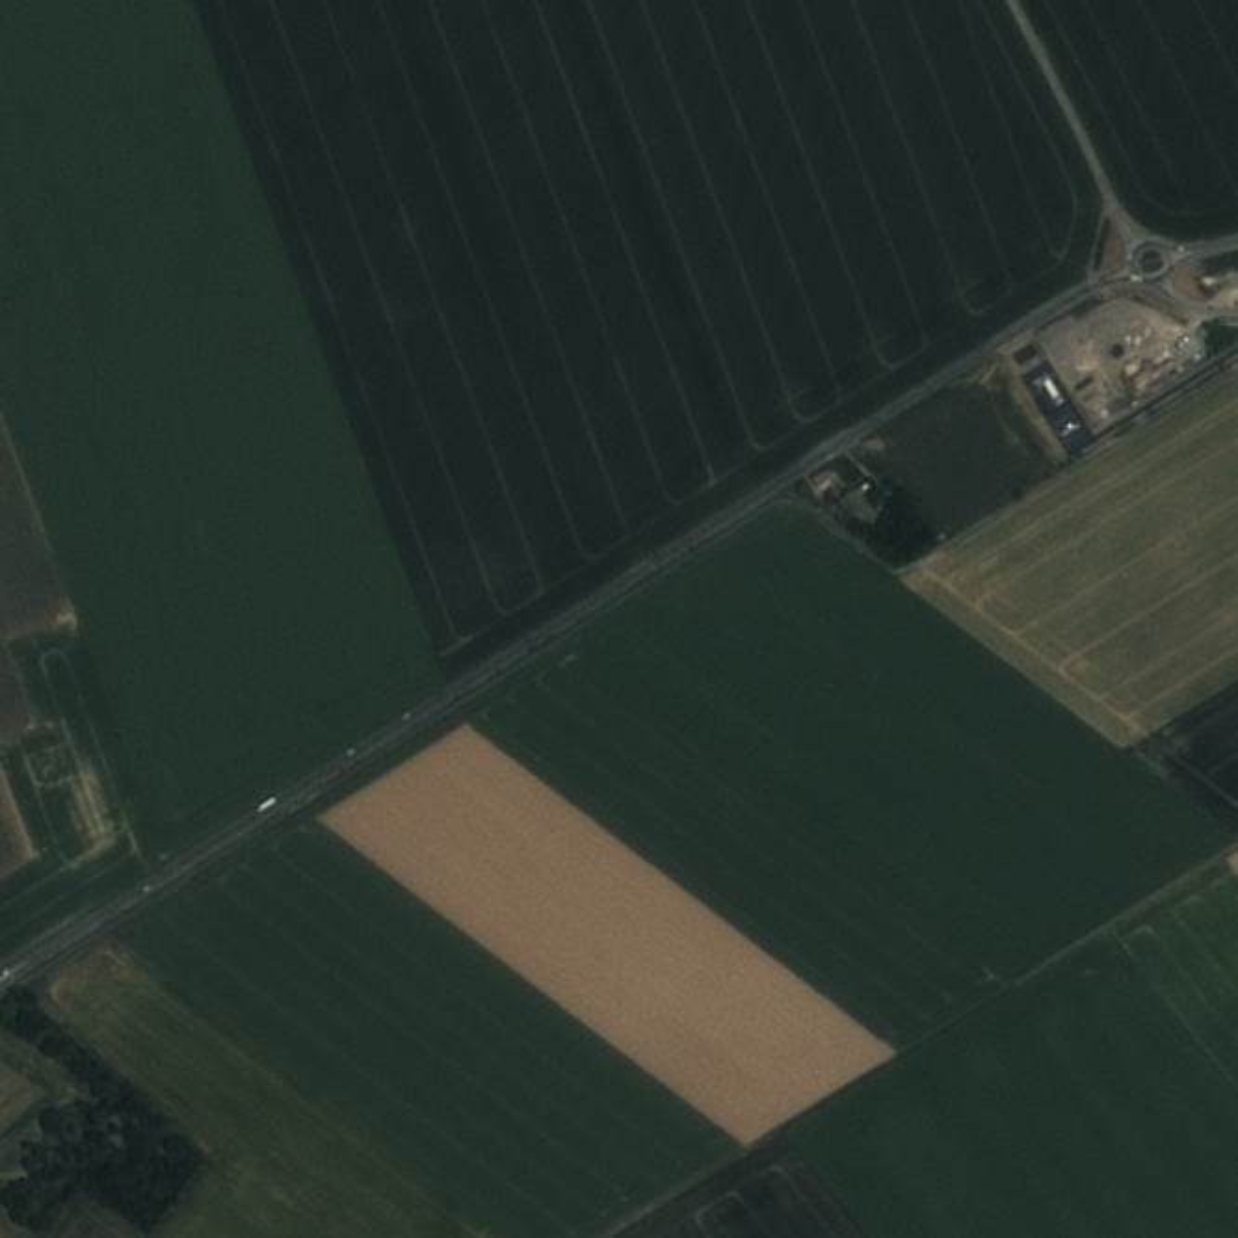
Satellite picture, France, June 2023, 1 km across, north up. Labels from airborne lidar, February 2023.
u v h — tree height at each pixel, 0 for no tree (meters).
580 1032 0
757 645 0
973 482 0
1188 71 0
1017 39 0
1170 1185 0
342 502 0
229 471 0
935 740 0
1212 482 0
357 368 0
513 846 0
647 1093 0
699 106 0
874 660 0
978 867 0
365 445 0
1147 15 0
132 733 0
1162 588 0
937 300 0
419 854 0
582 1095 0
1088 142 0
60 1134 18
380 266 0
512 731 0
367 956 0
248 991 0
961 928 0
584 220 0
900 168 0
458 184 0
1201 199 0
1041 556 0
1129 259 0
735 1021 0
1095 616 0
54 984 0
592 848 0
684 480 0
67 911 0
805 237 0
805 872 0
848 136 0
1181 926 0
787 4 0
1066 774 0
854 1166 0
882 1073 0
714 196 0
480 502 0
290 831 0
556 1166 0
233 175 0
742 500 0
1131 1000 0
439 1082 0
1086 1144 0
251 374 0
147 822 0
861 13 0
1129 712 0
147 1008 0
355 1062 0
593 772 0
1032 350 0
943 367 0
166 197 0
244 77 0
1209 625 0
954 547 0
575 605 0
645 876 0
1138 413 0
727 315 0
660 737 0
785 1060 0
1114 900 0
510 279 0
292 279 0
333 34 0
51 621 0
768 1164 0
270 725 0
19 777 0
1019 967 0
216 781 0
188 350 0
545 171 0
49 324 0
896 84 0
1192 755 0
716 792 0
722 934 0
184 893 0
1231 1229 0
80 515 0
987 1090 0
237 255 0
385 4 0
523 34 0
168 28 0
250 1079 0
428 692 0
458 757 0
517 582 0
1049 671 0
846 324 0
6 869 0
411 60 0
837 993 0
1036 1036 0
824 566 0
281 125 0
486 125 0
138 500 0
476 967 0
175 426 0
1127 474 0
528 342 0
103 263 0
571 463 0
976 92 0
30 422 0
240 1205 0
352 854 0
